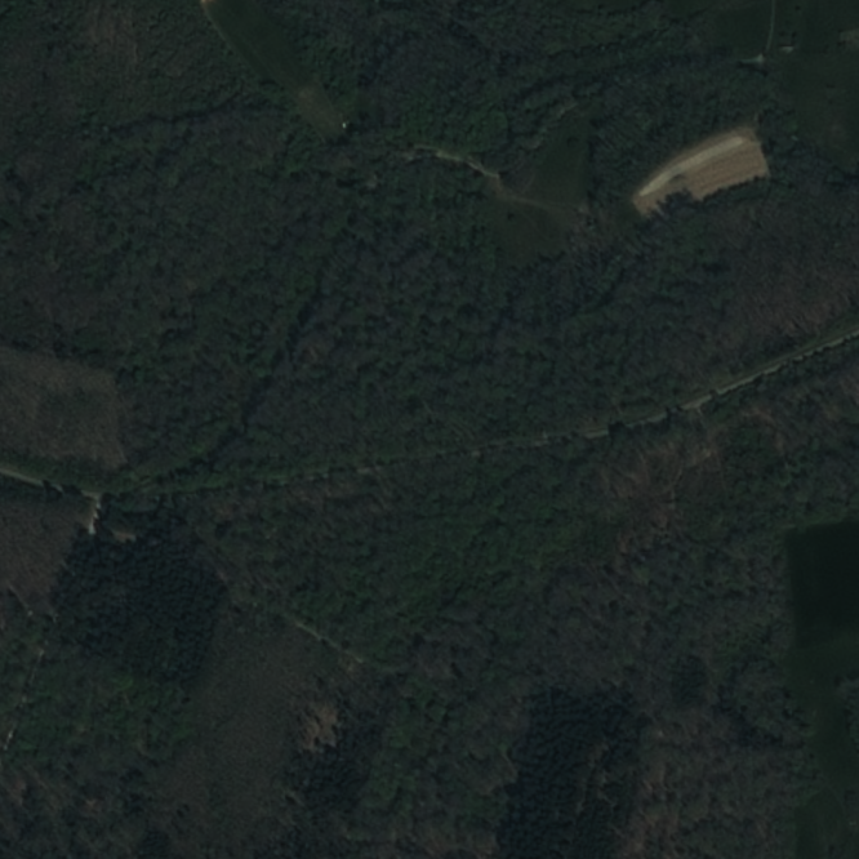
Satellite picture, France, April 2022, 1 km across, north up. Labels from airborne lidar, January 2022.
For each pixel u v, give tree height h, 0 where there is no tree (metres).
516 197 0
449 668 33
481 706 31
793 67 0
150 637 10
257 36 0
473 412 27
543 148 6
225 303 31
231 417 14
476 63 25
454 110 20
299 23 8
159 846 26
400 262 26
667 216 22
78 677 30
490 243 16
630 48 9
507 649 33
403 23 21
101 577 32
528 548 29
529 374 24
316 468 18
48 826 27
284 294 29
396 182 19
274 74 0
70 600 28
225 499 24
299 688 20
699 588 30
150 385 20
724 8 0
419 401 29
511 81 28
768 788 31
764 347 23
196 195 30
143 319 31
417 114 17
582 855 12
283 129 24
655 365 29
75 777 26
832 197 23
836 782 0
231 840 17
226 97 8
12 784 27
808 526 23
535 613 28
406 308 13
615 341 28
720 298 31
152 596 32
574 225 0
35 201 18
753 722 36
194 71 10
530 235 0
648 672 32
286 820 19
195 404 31
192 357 28
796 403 21
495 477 15
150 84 9
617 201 16
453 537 26
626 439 23
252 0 0
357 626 26
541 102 14
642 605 32
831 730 0
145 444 27
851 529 0
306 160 21
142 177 27
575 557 7
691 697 27
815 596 0
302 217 27
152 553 29
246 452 28
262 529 28
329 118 0
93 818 29
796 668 0
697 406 0
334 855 21
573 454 26
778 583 22
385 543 30
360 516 28
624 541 7
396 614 30
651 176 17
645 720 7
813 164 30
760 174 0
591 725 30
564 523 26
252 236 28
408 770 28
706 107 18
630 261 26
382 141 22
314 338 27
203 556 29
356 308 16
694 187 0
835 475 32
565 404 30
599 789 8
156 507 16
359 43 25
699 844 30
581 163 0
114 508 21
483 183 22
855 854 0
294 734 19
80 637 6
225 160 33
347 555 29
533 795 27
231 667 22
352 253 25
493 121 20
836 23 0
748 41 0
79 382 0
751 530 27
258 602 22
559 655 27
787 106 20
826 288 20
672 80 28
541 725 33
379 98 23
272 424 32
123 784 29
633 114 31
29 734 26
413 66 25
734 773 32
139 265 30
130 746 29
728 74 24
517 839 28
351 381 22
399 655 22
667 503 7
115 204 31
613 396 26
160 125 24
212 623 28
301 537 24
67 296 16
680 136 21
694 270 31
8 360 0
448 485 21
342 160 25
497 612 14
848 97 0
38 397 0
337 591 27
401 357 27
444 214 26
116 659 20
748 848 30
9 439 17
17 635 28
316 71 12
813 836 0
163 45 8
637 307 29
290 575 30
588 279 18
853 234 21
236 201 32
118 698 28
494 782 30
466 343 19
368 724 22
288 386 25
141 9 6
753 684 34
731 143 0
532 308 31
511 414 23
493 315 27
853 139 0
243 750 20
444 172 24
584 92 8
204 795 19
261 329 25
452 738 26
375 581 28
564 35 24
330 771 21
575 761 31
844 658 0
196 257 29
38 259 13
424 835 31
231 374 24
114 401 0
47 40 11
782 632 31
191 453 28
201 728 20
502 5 18
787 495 26
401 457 24
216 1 0
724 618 32
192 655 28
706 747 16
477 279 32
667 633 32
